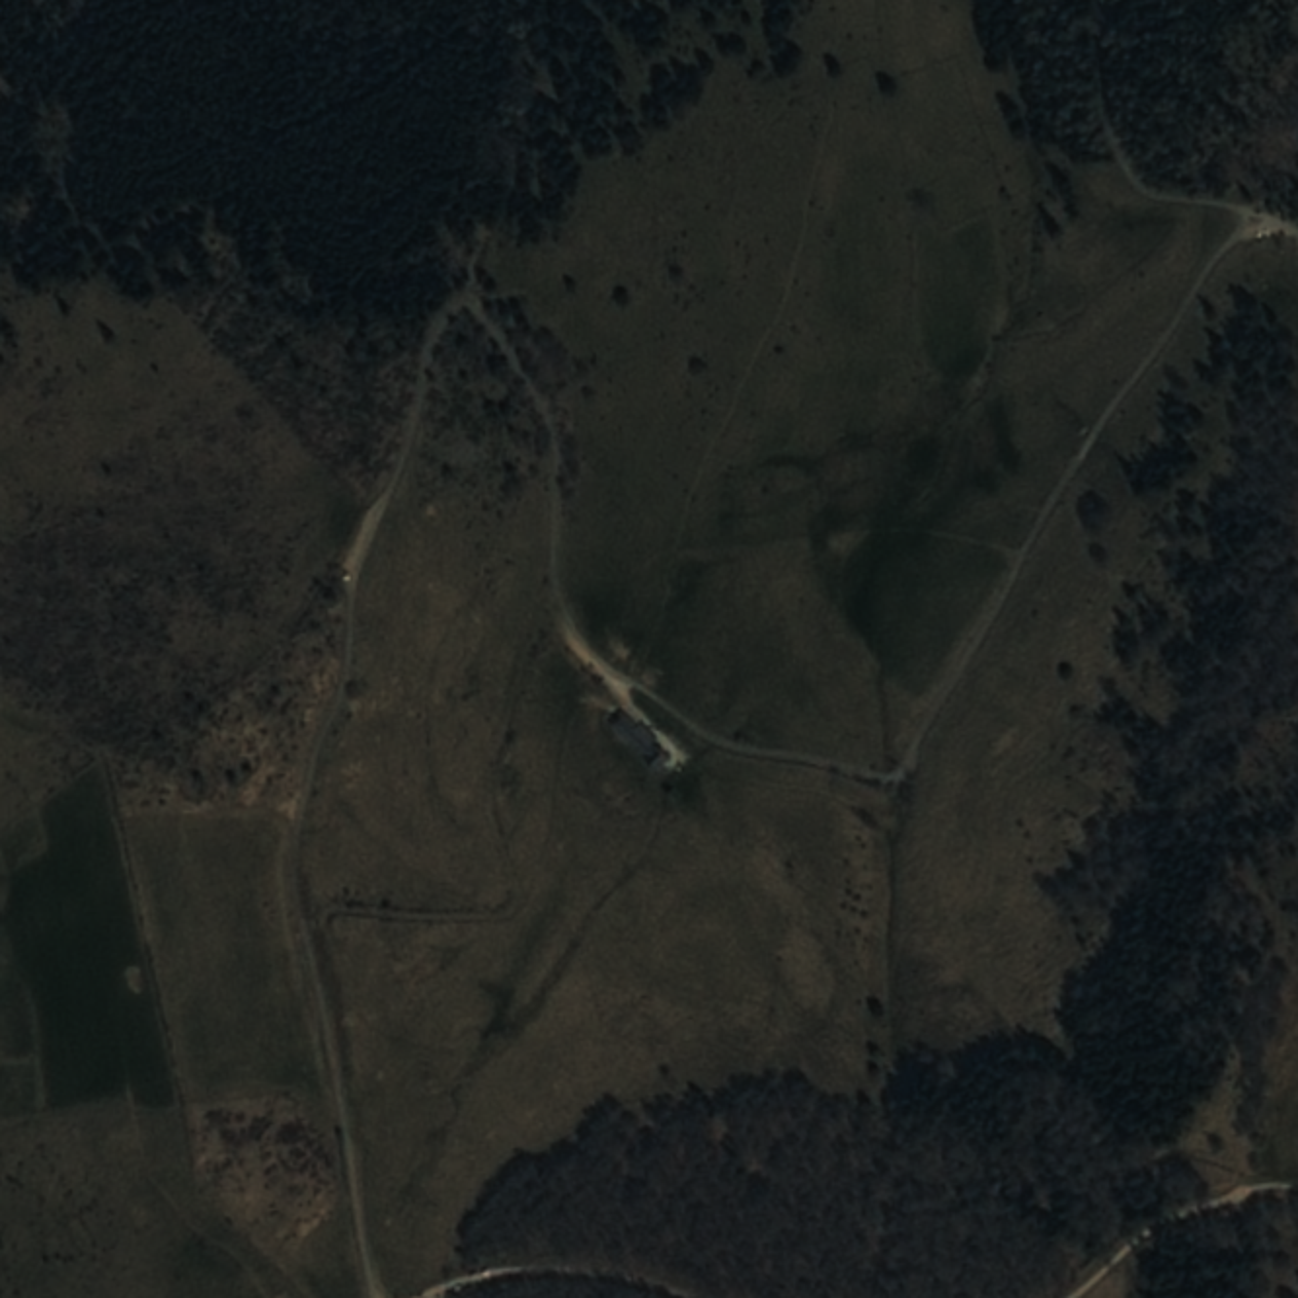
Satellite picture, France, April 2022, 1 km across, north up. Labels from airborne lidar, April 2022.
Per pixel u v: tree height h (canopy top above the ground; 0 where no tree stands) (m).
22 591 0
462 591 0
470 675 0
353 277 16
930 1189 13
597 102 16
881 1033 0
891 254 0
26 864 0
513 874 0
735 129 0
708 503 0
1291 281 0
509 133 11
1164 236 0
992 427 0
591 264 0
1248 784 0
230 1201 0
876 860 0
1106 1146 18
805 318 0
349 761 0
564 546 0
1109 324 0
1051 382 0
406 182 13
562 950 0
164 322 0
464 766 0
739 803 0
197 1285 0
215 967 0
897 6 0
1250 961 10
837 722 0
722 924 0
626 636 0
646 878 0
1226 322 0
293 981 0
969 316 0
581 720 0
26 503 0
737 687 0
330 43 19
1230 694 18
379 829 0
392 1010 0
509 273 0
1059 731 0
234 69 20
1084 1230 14
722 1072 0
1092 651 0
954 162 0
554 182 13
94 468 0
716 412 0
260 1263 0
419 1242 0
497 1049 0
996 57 16
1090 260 0
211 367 0
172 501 0
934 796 0
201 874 0
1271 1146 0
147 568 0
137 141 22
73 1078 0
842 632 0
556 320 0
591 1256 19
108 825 0
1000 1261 19
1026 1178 17
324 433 0
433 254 13
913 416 0
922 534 0
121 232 18
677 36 0
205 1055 0
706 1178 24
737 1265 24
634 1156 17
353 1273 0
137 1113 0
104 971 0
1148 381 0
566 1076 0
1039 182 0
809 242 0
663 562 0
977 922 0
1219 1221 9
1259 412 20
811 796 0
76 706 0
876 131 0
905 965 0
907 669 0
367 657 0
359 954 0
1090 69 22
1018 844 0
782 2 15
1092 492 0
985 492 0
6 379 0
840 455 0
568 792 0
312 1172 0
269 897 0
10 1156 0
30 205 6
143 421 0
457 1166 0
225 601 0
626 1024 0
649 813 0
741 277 0
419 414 0
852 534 0
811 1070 0
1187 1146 0
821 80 0
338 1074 0
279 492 0
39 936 0
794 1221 21
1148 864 17
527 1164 11
